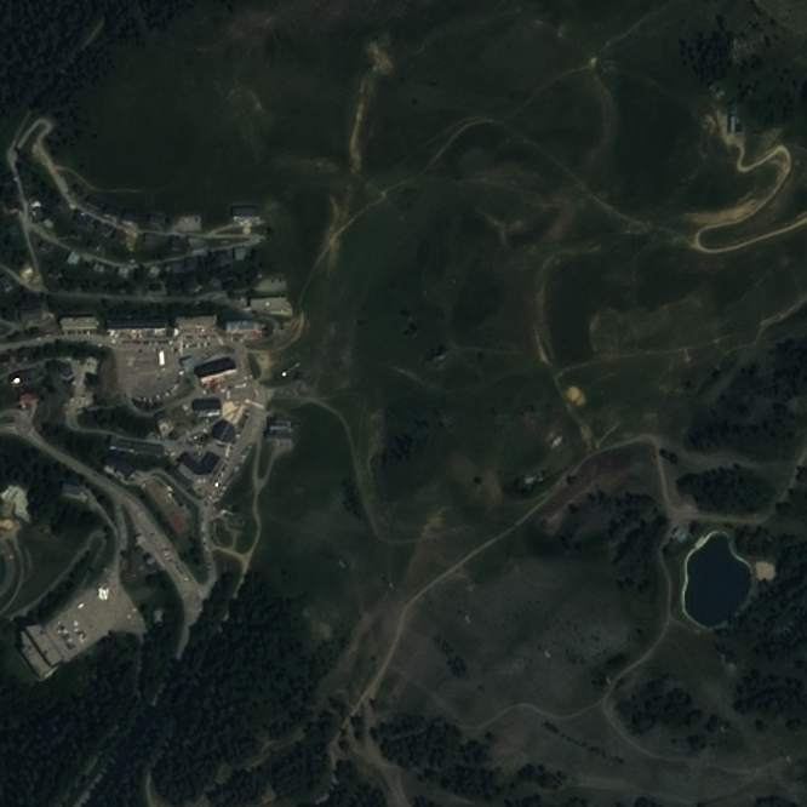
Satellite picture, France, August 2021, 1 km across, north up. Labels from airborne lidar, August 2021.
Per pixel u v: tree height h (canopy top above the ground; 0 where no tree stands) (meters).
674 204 0
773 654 11
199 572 0
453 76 0
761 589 7
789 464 0
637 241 0
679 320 0
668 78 0
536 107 0
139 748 12
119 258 0
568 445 0
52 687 19
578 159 0
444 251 0
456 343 0
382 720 0
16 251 9
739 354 0
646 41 0
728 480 7
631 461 0
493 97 0
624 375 0
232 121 0
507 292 0
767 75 0
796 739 0
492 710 0
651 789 0
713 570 0
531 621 0
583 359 0
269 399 0
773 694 13
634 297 0
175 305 12
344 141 0
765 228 0
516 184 0
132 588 0
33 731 15
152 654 13
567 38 0
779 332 0
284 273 0
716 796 0
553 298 0
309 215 0
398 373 0
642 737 0
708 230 0
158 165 0
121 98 0
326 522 0
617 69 0
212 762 14
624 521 9
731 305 0
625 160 0
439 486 0
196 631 17
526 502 0
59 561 0
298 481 0
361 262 0
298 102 0
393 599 0
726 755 0
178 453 0
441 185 0
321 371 0
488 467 0
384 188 0
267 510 0
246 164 0
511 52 0
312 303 0
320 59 0
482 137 0
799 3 0
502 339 0
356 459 0
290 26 0
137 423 8
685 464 0
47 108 17
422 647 0
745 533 7
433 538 0
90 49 8
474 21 0
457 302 0
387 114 0
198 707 19
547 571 0
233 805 21
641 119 0
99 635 0
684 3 0
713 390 0
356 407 0
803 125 0
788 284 0
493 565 0
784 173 0
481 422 0
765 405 0
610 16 0
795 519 0
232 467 0
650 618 0
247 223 0
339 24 0
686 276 0
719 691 0
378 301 0
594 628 0
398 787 0
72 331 0
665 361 0
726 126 0
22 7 18
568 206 0
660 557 0
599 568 0
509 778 0
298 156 0
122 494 0
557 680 0
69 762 15
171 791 12
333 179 0
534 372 0
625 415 0
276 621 12
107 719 16
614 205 0
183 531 0
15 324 0
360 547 0
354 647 0
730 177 0
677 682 0
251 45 0
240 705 11
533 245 0
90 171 0
